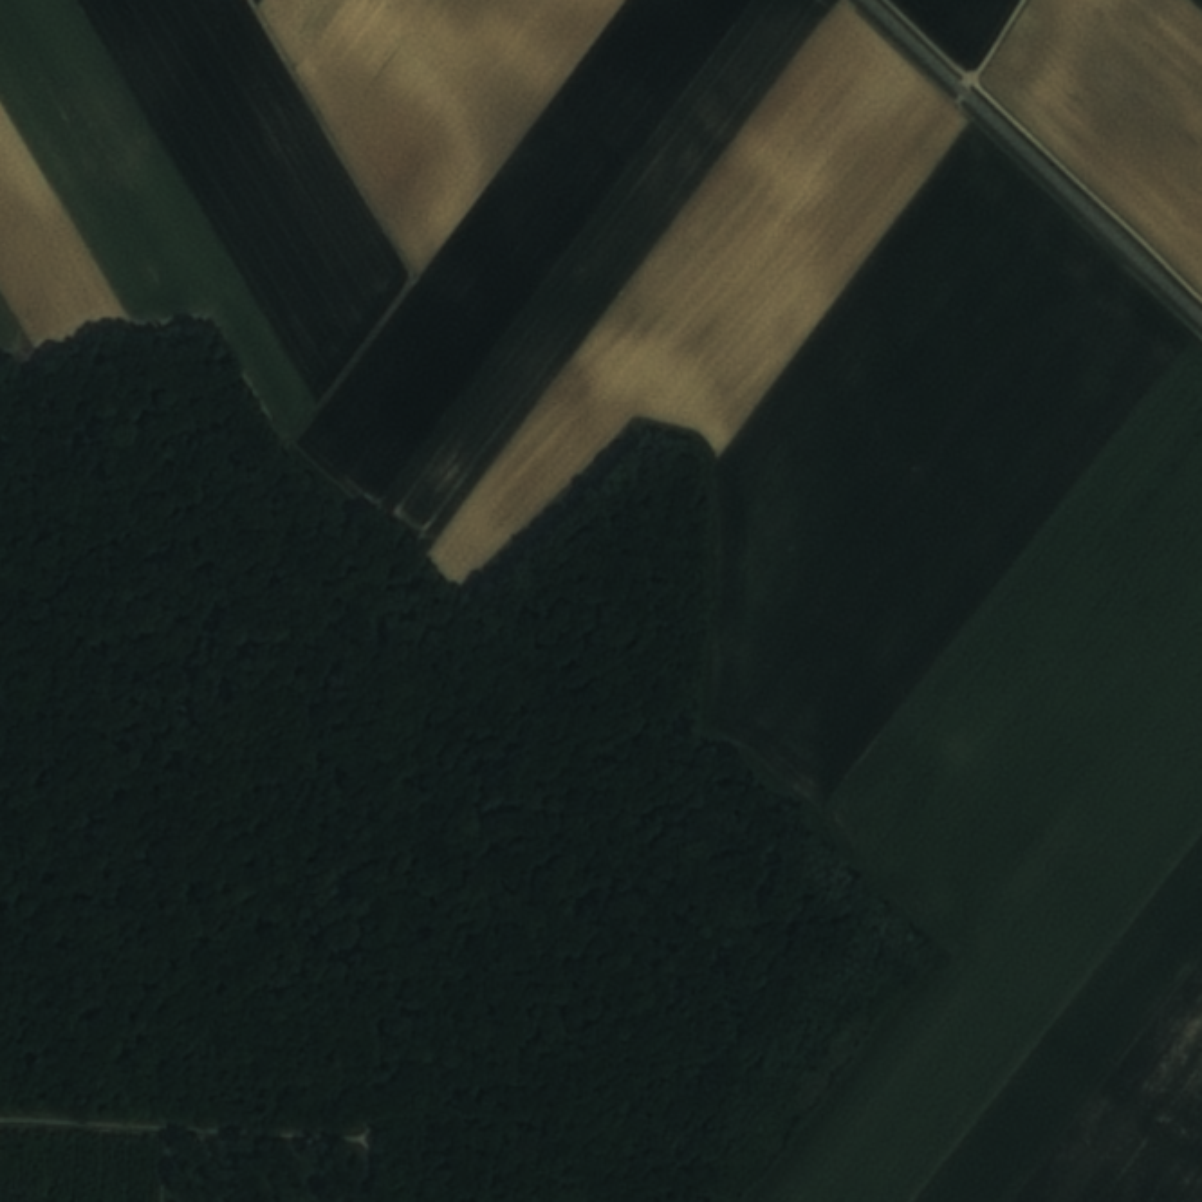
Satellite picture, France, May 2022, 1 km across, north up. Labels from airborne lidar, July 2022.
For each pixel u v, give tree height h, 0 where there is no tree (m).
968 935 0
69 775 28
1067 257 0
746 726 0
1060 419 0
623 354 0
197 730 28
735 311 0
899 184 0
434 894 25
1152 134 0
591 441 0
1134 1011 0
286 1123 19
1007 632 0
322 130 0
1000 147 0
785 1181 0
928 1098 0
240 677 31
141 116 0
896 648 0
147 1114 16
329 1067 24
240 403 23
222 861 28
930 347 0
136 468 29
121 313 0
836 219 0
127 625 29
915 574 0
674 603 24
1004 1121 0
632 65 0
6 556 24
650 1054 23
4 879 23
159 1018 27
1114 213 0
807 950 29
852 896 25
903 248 0
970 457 0
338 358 0
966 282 0
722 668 0
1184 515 0
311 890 27
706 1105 28
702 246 0
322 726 27
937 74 0
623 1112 21
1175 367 0
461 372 0
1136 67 0
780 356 0
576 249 0
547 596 28
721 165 0
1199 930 0
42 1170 6
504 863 27
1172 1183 0
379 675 29
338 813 25
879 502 0
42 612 24
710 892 30
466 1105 27
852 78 0
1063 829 0
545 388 0
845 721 0
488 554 0
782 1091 21
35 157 0
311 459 0
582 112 0
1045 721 0
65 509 29
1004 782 0
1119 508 0
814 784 0
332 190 0
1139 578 0
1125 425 0
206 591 27
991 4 0
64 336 0
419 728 25
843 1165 0
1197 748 0
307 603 31
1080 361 0
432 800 27
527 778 27
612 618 30
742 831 25
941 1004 0
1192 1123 0
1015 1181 0
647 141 0
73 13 0
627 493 26
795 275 0
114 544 27
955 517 0
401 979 23
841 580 0
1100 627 0
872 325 0
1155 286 0
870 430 0
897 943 24
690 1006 21
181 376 27
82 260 0
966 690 0
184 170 0
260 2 0
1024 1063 0
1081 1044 0
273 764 27
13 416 26
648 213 0
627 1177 21
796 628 0
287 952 26
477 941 30
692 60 0
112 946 23
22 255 0
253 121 0
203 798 26
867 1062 0
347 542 29
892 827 0
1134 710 0
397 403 0
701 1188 24
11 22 0
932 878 0
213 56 0
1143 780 0
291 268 0
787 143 0
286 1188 22
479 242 0
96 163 0
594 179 0
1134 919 0
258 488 30
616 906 31
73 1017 23
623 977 29
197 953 28
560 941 28
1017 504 0
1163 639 0
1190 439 0
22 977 20
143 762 29
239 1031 26
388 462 0
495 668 27
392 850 28
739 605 0
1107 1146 0
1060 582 0
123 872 30
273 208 0
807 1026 25
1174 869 0
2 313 0
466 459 0
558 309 0
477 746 28
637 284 0
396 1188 15
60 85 0
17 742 26
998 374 0
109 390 27
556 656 29
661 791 24
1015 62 0
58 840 26
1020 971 0
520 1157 23
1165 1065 0
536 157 0
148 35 0
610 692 28
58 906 29
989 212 0
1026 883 0
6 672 23
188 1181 20
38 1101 20
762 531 0
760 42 0
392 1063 19
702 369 0
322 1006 21
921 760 0
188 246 0
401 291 0
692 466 26
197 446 29
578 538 29
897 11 0
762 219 0
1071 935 0
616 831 28
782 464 0
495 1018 29
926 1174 0
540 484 0
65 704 28
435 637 27
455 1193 28
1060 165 0
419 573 23
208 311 0
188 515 23
